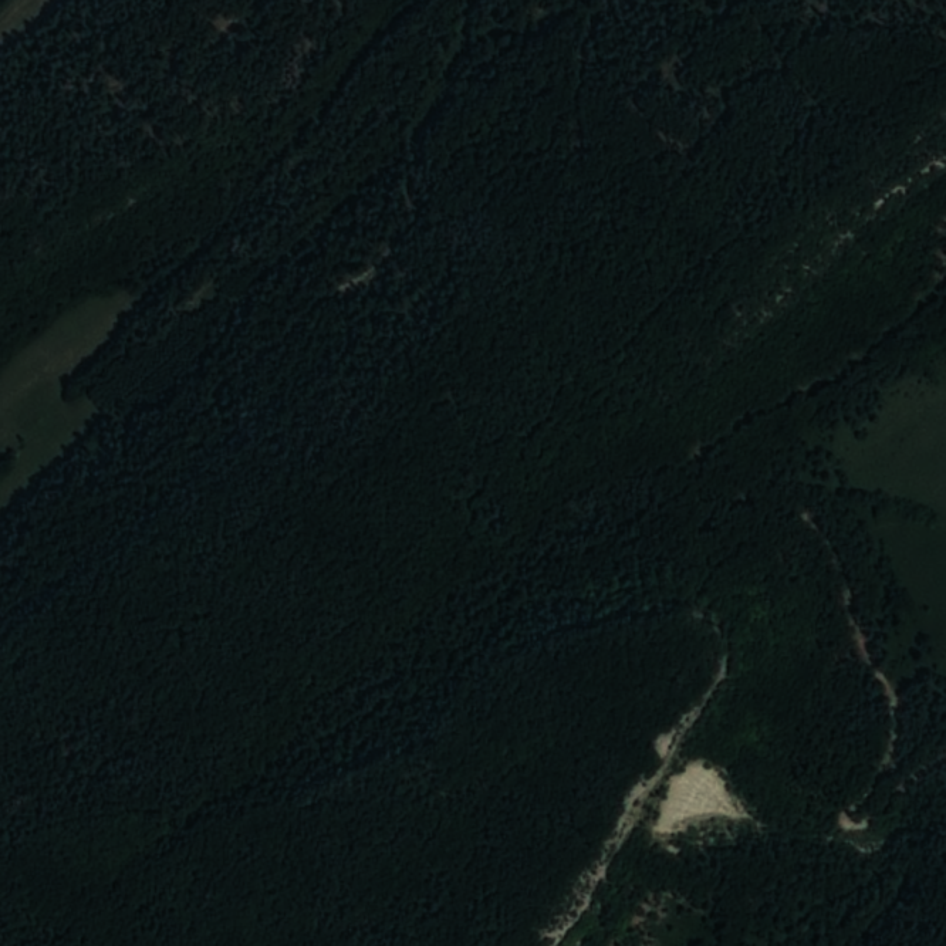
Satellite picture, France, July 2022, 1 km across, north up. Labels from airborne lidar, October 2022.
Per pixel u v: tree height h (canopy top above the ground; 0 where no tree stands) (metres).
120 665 20
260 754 18
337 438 28
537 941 9
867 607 28
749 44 22
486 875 24
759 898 26
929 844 34
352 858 25
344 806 19
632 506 28
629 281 15
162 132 24
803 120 24
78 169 18
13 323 28
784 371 28
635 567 22
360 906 20
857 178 12
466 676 23
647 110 23
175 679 12
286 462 28
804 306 22
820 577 32
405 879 22
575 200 28
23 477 0
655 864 18
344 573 15
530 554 19
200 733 8
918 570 0
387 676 9
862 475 0
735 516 31
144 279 14
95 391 19
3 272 17
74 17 26
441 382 15
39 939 19
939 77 24
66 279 21
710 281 16
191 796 19
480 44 28
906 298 27
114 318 0
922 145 14
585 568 16
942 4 21
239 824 21
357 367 11
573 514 18
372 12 31
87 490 27
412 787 14
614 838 10
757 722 20
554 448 15
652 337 12
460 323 13
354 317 26
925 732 20
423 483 16
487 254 28
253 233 27
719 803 0
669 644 19
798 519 30
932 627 0
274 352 24
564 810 22
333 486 14
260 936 20
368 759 23
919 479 0
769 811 16
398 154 23
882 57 22
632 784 7
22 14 0
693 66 21
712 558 30
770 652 30
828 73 15
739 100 20
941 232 17
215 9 22
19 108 23
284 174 27
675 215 15
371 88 21
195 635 18
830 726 22
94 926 25
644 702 19
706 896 30
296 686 15
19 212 25
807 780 26
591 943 24
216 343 18
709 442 32
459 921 23
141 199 14
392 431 18
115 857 24
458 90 31
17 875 23
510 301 17
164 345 17
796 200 19
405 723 18
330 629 13
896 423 0
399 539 14
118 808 14
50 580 27
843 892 23
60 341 0
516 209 24
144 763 20
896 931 27
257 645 18
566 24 33
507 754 16
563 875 17
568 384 13
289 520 20
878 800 20
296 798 18
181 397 34
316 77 28
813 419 14
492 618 16
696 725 15
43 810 19
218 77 25
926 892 28
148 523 25
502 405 9
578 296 10
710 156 22
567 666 24
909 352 22
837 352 29
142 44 25
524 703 19
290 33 25
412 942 18
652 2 25
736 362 24
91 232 13
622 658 20
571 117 25
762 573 34
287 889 18
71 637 17
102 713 11
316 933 19
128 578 23
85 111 30
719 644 9
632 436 15
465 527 14
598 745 23
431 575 19
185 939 20
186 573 18
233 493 28
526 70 31
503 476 18
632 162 20
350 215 13
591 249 20
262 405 23
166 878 21
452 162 22
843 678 29
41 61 22
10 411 0
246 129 27
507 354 13
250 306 27
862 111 20
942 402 0
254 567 17
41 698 19
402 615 24
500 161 21
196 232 25
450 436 16
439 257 26
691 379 13
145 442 35
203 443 24
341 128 27
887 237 19
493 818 19
